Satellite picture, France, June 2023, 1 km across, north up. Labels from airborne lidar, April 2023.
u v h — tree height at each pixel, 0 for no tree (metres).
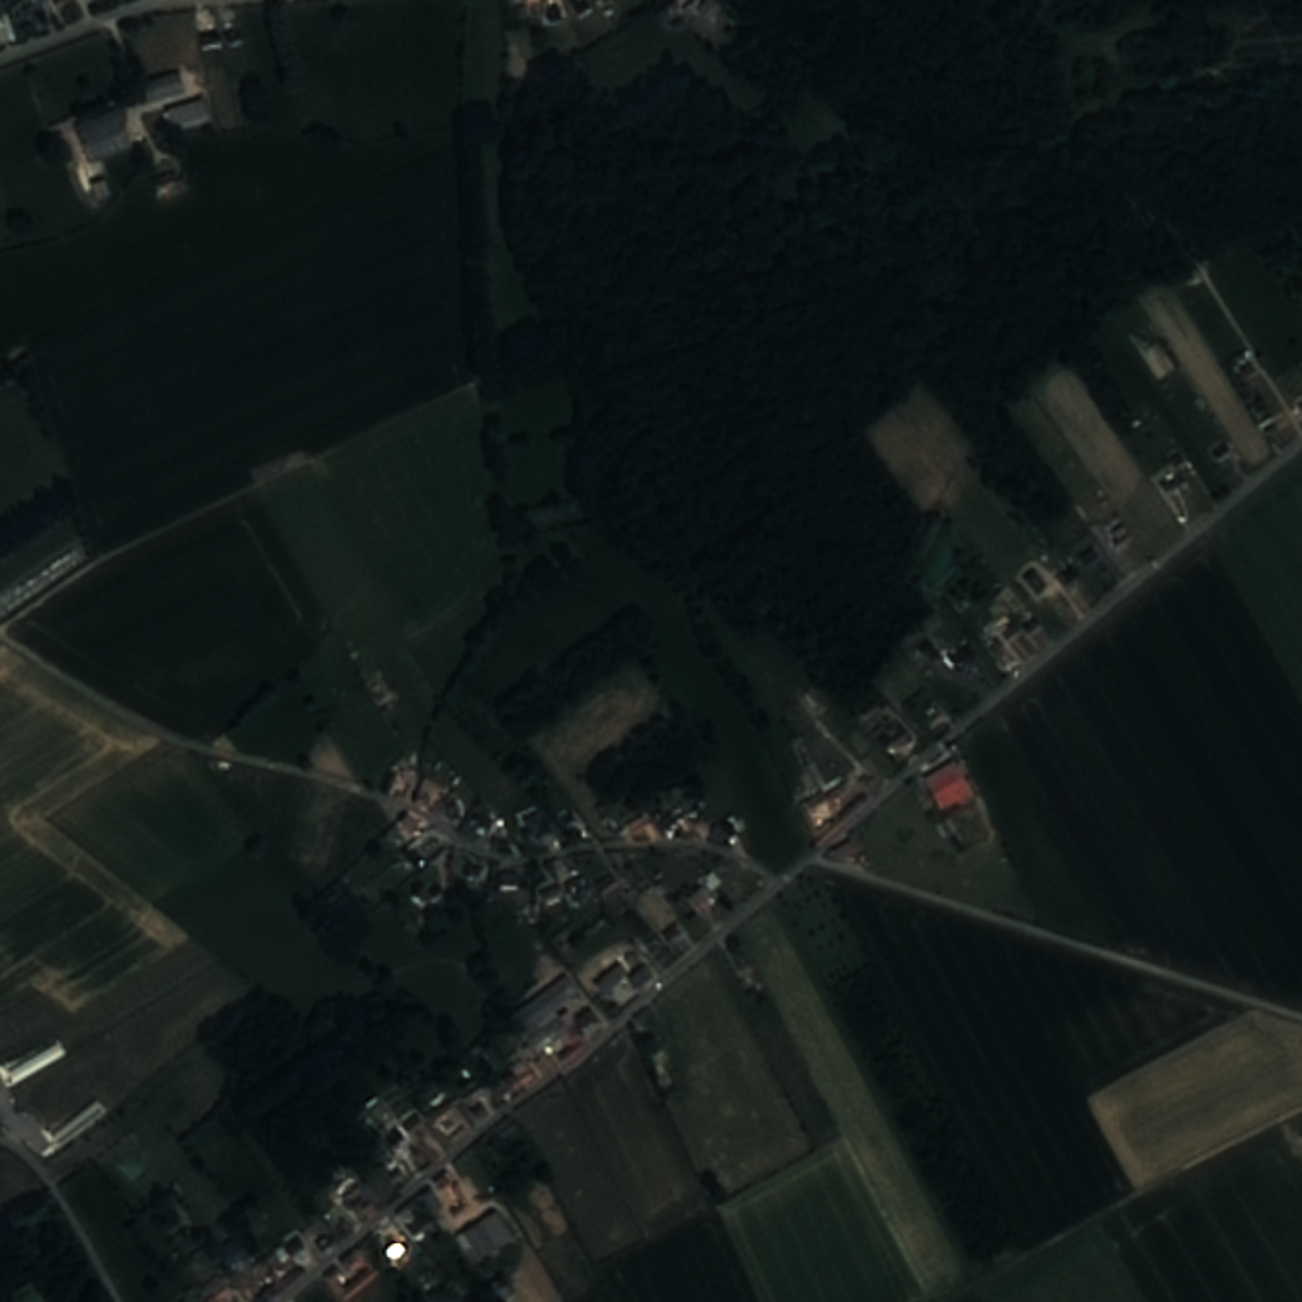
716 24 0
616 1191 0
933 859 0
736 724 0
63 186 0
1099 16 13
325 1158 7
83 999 0
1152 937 0
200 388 0
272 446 0
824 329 24
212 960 0
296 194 0
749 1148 0
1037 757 0
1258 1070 0
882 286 26
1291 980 0
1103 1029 0
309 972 0
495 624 10
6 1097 0
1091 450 0
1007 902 0
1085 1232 0
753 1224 0
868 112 22
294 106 0
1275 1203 0
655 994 0
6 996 0
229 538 0
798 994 0
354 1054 31
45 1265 13
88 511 0
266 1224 0
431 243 0
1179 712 0
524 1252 0
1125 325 0
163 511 0
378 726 0
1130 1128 0
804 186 13
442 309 0
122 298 0
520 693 10
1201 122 17
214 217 0
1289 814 0
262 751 0
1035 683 0
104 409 0
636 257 25
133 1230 7
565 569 28
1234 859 0
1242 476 0
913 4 16
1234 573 0
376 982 12
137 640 0
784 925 0
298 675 9
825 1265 0
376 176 0
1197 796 0
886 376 22
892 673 0
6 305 0
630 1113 0
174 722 0
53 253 0
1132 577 0
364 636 0
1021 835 0
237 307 0
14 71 0
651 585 0
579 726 0
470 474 0
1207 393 0
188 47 0
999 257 18
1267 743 0
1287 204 30
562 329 21
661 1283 0
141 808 0
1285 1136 0
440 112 0
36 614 0
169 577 0
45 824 0
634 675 0
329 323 0
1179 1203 0
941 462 0
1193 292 0
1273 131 18
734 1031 0
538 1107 0
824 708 0
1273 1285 0
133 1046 0
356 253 0
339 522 0
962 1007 0
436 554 0
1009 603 0
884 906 0
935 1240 0
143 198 0
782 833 0
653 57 0
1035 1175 0
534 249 20
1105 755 0
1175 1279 0
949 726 0
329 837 0
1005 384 18
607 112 25
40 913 0
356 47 0
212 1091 0
